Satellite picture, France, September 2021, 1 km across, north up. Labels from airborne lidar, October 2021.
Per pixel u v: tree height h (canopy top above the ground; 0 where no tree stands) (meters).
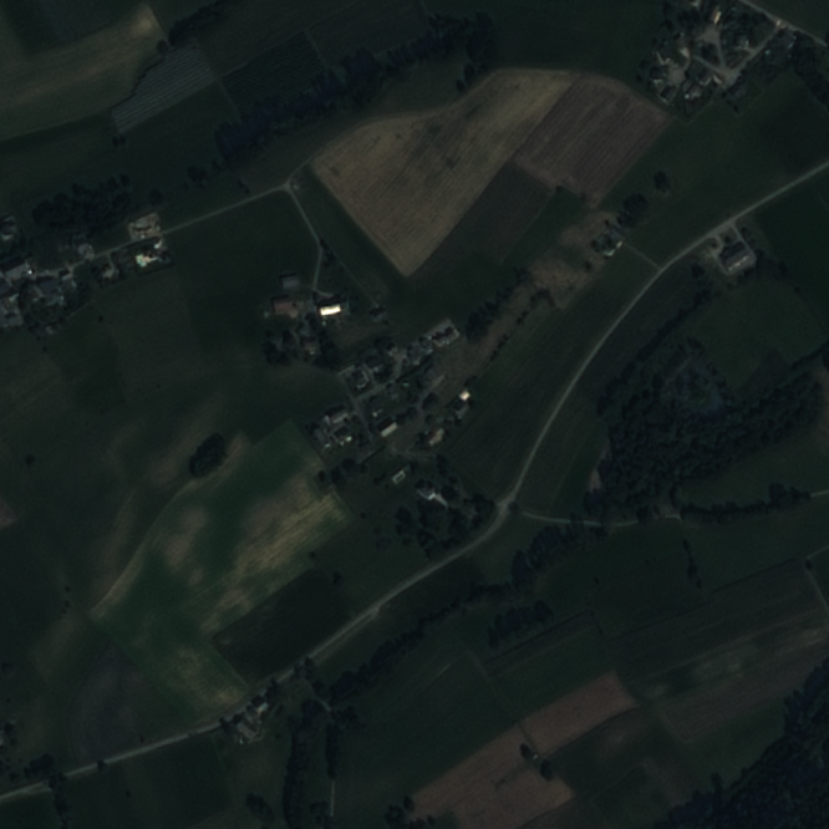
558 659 0
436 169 0
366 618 0
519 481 0
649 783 0
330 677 0
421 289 0
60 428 0
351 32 0
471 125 0
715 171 0
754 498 0
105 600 0
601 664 0
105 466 0
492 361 6
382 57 0
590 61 0
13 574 0
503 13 0
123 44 0
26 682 0
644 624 0
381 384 12
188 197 0
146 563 0
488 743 0
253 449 0
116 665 0
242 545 0
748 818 9
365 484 0
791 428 13
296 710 0
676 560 0
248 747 0
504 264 0
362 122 0
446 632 0
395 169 0
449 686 0
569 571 0
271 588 0
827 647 0
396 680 0
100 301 0
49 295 0
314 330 14
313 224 0
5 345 0
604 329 0
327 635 0
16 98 0
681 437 18
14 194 0
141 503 0
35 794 0
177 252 0
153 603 0
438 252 0
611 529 28
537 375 0
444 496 0
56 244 0
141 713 0
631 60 0
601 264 0
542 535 0
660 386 16
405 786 0
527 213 0
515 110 0
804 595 0
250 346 0
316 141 0
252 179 0
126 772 0
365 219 0
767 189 0
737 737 0
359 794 0
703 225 0
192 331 0
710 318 0
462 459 0
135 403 0
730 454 14
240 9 0
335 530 0
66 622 0
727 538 0
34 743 0
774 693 0
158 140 0
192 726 0
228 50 0
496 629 0
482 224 0
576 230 0
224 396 0
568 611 0
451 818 0
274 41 0
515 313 0
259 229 0
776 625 0
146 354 0
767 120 0
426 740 0
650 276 0
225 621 0
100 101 0
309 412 0
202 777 0
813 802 29
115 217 13
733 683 0
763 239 0
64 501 0
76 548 0
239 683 0
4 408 0
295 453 0
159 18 0
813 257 0
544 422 0
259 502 0
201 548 0
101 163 0
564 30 0
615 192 0
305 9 0
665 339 18
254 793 0
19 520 0
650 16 0
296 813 20
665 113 0
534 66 0
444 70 0
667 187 18
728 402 19
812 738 21
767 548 0
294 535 0
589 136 0
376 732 0
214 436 0
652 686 0
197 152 0
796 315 0
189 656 0
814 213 0
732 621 0
